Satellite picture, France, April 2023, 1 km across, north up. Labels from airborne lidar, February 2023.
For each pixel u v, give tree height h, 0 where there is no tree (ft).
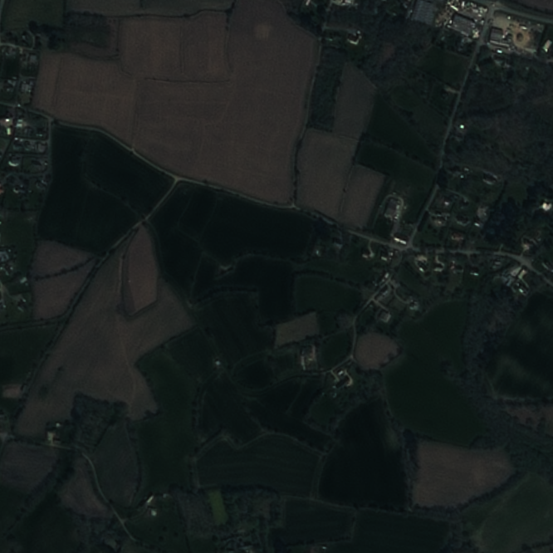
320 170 0
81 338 0
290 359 0
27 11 0
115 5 0
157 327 0
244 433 0
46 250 0
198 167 0
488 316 30
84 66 0
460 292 37
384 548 0
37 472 0
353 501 0
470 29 0
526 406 37
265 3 0
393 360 45
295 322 0
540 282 37
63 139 0
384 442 0
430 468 0
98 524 47
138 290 0
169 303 0
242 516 51
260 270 0
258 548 33
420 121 0
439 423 0
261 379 0
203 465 0
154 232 0
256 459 0
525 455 26
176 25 0
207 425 0
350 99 0
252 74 0
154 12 0
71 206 0
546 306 0
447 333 0
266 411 0
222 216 0
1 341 0
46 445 0
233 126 0
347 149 0
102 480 0
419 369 0
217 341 0
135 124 0
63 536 0
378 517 0
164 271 0
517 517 0
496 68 0
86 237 0
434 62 0
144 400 0
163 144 0
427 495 0
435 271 0
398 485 0
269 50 0
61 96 0
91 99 0
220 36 0
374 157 0
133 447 29
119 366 0
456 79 0
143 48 0
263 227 0
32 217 0
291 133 0
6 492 0
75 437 84
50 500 0
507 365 0
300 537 0
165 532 26
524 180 35
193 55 0
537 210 0
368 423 0
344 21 39
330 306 0
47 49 53
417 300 38
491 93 0
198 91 0
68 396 0
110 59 0
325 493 0
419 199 0
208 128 0
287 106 0
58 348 0
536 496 0
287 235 0
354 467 0
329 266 0
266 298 0
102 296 0
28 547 0
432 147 29
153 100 0
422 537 0
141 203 0
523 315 0
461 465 0
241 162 0
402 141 0
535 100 50
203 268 0
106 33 0
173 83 0
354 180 0
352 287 32
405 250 0
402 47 41
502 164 52
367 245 0
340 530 0
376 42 41
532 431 27
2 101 0
